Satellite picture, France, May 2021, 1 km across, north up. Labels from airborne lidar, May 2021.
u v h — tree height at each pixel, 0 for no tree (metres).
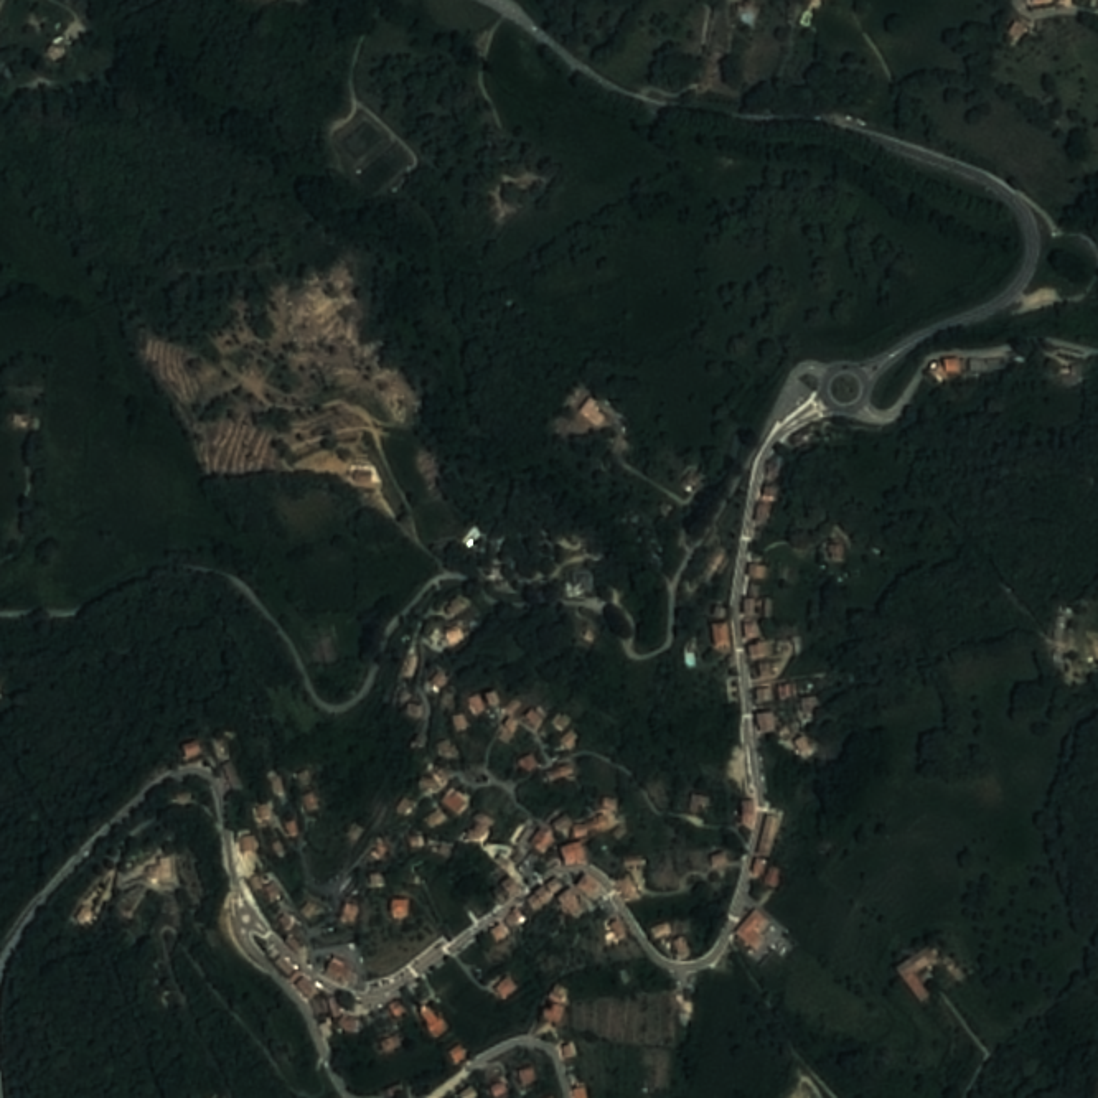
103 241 15
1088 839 16
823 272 11
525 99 0
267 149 22
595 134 0
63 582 0
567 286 0
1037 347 17
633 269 0
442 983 0
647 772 11
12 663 15
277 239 12
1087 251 0
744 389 6
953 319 0
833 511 11
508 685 7
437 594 6
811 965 0
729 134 23
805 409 0
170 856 7
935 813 0
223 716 10
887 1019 0
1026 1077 7
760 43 0
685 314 0
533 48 0
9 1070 7
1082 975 13
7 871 12
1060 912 8
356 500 9
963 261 0
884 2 0
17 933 0
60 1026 12
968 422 12
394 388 0
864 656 12
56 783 11
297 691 8
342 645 0
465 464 16
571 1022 6
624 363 8
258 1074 10
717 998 0
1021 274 0
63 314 13
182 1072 10
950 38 14
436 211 9
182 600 16
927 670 12
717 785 7
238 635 11
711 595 7
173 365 0
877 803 0
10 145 11
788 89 11
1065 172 0
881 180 17
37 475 7
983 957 8
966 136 0
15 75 10
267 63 11
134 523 0
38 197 14
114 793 16
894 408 0
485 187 15
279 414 10
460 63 8
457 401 17
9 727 14
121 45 13
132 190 13
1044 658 15
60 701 12
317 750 0
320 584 0
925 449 7
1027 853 0
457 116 12
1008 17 11
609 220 8
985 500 10
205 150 15
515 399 11
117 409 0
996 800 0
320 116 8
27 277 0
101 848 11
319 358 0
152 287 12
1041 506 8
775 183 11
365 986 0
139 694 8
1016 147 0
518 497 12
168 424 0
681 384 0
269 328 17
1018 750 0
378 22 8
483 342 11
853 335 0
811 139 26
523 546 8
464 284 7
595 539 13
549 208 15
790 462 7
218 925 12
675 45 12
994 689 0
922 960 0
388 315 13
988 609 9
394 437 0
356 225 21
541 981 7
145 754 8
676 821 7
